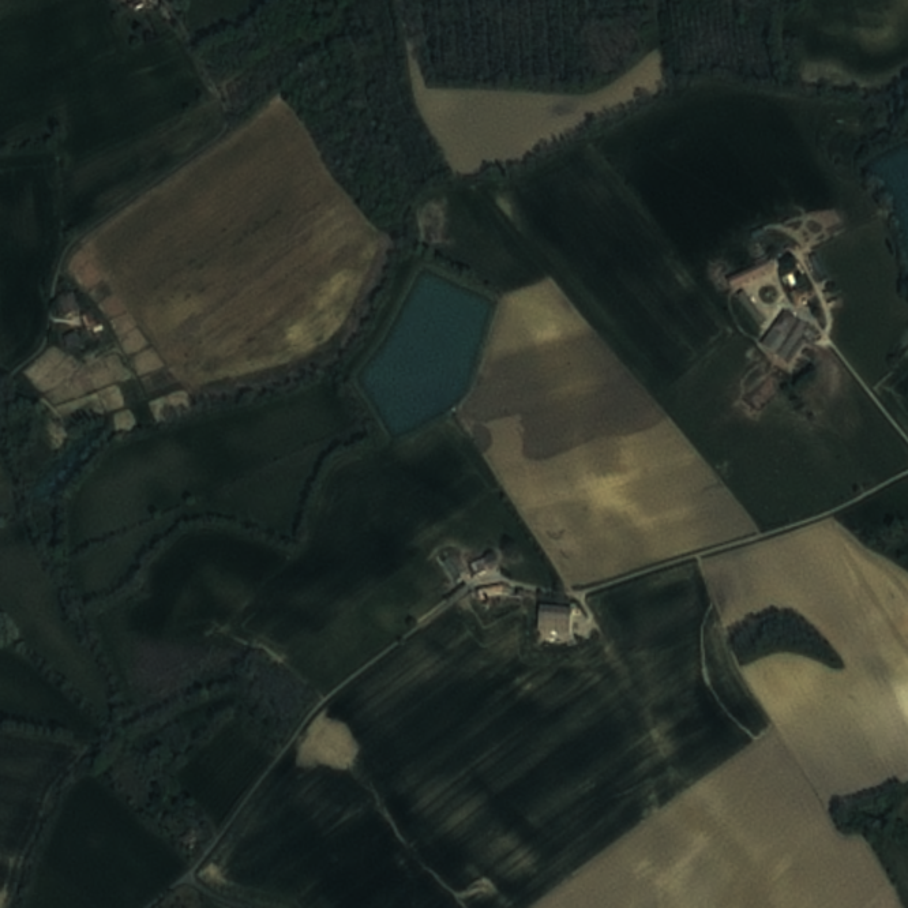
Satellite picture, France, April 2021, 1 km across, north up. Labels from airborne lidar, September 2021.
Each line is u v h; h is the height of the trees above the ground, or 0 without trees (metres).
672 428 0
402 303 0
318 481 11
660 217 0
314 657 0
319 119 16
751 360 0
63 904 0
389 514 0
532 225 0
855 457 0
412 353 0
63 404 0
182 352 0
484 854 0
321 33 21
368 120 27
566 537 0
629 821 0
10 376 17
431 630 0
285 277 0
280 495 0
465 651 0
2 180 0
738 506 0
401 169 20
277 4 27
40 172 0
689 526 0
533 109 0
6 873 0
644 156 0
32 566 0
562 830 0
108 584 0
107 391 0
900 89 18
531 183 0
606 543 0
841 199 0
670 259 0
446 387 0
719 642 0
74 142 0
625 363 0
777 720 0
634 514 0
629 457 0
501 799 0
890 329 0
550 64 10
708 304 0
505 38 8
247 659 14
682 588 0
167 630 0
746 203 0
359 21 13
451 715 0
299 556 0
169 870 0
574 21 10
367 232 0
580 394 0
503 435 0
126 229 0
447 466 0
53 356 0
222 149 0
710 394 0
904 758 0
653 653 0
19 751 0
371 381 0
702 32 15
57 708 0
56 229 0
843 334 0
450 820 0
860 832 15
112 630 0
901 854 0
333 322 0
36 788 0
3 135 0
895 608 0
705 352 0
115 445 11
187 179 0
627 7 10
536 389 0
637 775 0
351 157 16
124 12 9
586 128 14
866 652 0
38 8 0
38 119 0
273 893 0
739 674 0
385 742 0
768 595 0
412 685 0
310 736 0
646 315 0
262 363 0
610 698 0
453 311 0
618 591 0
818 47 0
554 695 0
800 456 0
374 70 14
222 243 0
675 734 0
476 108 0
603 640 0
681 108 0
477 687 0
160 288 0
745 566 0
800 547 0
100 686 0
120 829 0
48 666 19
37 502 9
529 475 0
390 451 0
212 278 0
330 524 0
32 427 13
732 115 0
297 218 0
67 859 0
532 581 0
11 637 22
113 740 16
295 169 0
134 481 0
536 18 7
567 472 0
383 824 0
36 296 0
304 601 0
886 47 0
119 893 0
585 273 0
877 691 0
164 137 0
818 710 0
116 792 12
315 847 0
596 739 0
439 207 0
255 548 0
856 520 0
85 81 0
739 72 7
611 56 20
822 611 0
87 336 11
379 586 0
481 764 0
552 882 0
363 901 0
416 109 11
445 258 15
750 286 0
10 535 0
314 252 0
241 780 0
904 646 0
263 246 0
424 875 0
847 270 0
